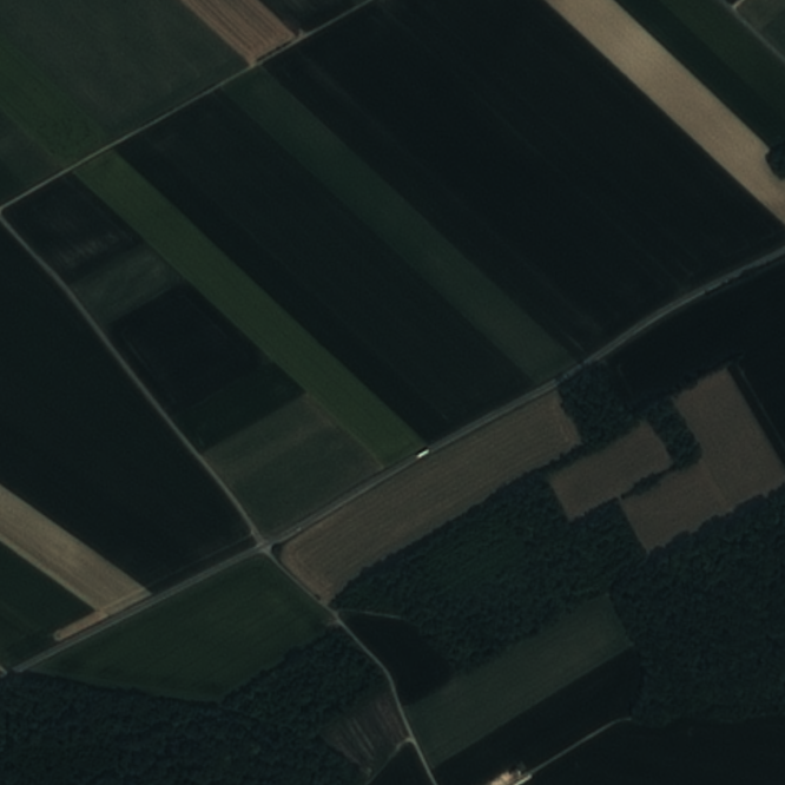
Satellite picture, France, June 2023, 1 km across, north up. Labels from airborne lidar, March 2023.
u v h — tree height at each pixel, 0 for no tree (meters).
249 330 0
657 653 23
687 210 0
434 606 18
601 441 18
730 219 0
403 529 0
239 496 0
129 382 0
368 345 0
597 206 0
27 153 0
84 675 0
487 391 0
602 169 0
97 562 0
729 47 0
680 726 0
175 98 0
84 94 0
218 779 19
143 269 0
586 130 0
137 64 0
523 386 0
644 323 0
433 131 0
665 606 19
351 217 0
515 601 10
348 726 0
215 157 0
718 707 17
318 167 0
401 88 0
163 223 0
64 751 6
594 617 0
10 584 0
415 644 0
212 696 0
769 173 0
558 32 0
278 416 0
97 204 0
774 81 0
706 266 0
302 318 0
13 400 0
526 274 0
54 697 11
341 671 16
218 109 0
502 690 0
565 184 0
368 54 0
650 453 0
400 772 0
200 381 0
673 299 0
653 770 0
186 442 0
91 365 0
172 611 0
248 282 0
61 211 0
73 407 0
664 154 0
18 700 22
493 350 0
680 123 0
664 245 0
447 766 0
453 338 0
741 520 19
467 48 0
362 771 15
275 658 0
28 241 0
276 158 0
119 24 0
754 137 0
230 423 0
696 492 0
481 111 0
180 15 0
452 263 0
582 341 0
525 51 0
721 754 0
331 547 0
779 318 0
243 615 0
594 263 0
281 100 0
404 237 0
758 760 0
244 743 21
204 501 0
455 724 0
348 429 0
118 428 0
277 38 0
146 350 0
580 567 17
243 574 0
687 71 0
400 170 0
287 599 0
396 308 0
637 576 22
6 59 0
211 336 0
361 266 0
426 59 0
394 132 0
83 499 0
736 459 0
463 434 0
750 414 0
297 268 0
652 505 0
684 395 0
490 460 0
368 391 0
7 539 0
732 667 24
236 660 0
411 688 0
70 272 0
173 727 18
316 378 0
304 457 0
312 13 0
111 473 0
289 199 0
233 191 0
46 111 0
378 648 0
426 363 0
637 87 0
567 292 0
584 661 0
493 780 0
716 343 0
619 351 0
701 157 0
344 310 0
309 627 0
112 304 0
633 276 0
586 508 0
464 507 0
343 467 0
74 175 0
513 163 0
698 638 25
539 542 17
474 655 10
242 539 0
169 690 0
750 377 0
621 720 0
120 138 0
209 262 0
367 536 0
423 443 0
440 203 0
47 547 0
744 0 0
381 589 18
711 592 24
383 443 0
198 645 0
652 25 0
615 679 0
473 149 0
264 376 0
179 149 0
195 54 0
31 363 0
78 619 0
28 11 0
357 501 0
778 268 0
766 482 0
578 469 0
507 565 6
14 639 0
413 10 0
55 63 0
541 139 0
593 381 20
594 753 0
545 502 20
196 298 0
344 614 0
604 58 0
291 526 0
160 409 0
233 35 0
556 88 0
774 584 16
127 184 0
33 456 0
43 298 0
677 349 0
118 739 19
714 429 0
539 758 0
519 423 0
